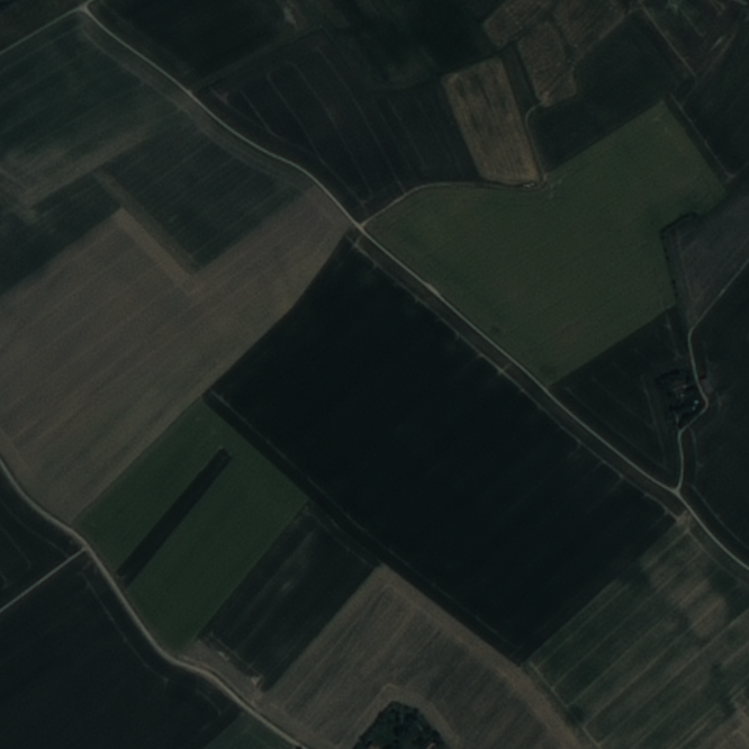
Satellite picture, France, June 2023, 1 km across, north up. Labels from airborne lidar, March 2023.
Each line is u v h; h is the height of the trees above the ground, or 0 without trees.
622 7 0
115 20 0
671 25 0
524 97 0
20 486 0
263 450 0
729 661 0
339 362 0
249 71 0
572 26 0
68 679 0
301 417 0
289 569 0
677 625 0
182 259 0
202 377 0
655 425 0
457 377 0
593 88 0
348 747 0
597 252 0
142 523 0
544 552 0
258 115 0
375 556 0
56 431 0
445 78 0
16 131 0
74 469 0
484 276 0
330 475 0
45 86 0
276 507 0
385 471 0
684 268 0
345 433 0
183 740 0
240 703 0
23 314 0
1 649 0
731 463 0
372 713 0
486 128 0
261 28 0
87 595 0
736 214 0
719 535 0
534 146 0
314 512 0
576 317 0
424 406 0
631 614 0
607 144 0
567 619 0
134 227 0
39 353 0
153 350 0
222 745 0
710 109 0
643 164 0
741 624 0
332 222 0
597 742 0
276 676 0
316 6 0
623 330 0
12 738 0
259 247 0
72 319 0
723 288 0
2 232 0
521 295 0
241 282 0
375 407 0
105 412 0
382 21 0
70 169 0
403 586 0
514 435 0
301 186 0
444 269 0
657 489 0
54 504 0
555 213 0
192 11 0
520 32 0
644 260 0
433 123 0
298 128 0
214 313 0
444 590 0
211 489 0
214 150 0
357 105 0
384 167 0
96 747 0
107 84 0
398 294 0
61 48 0
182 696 0
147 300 0
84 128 0
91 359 0
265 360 0
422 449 0
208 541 0
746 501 0
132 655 0
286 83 0
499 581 0
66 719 0
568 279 0
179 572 0
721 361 0
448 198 0
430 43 0
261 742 0
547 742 0
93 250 0
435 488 0
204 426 0
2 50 0
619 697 0
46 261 0
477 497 0
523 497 0
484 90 0
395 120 0
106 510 0
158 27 0
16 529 0
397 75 0
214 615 0
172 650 0
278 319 0
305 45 0
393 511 0
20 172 0
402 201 0
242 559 0
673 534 0
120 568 0
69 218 0
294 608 0
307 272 0
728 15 0
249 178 0
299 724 0
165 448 0
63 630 0
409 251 0
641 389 0
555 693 0
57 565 0
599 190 0
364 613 0
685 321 0
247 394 0
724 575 0
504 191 0
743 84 0
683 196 0
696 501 0
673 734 0
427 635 0
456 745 0
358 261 0
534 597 0
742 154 0
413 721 17
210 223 0
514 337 0
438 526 0
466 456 0
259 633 0
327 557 0
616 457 0
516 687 0
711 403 0
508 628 0
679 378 10
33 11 0
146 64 0
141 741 0
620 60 0
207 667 0
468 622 0
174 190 0
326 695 0
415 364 0
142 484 0
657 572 0
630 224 0
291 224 0
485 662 0
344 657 0
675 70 0
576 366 0
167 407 0
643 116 0
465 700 0
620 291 0
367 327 0
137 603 0
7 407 0
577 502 0
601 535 0
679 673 0
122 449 0
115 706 0
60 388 0
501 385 0
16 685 0
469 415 0
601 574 0
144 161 0
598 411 0
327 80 0
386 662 0
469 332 0
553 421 0
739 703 0
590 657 0
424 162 0
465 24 0
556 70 0
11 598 0
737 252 0
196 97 0
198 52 0
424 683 0
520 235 0
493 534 0
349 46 0
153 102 0
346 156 0
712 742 0
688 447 0
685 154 0
